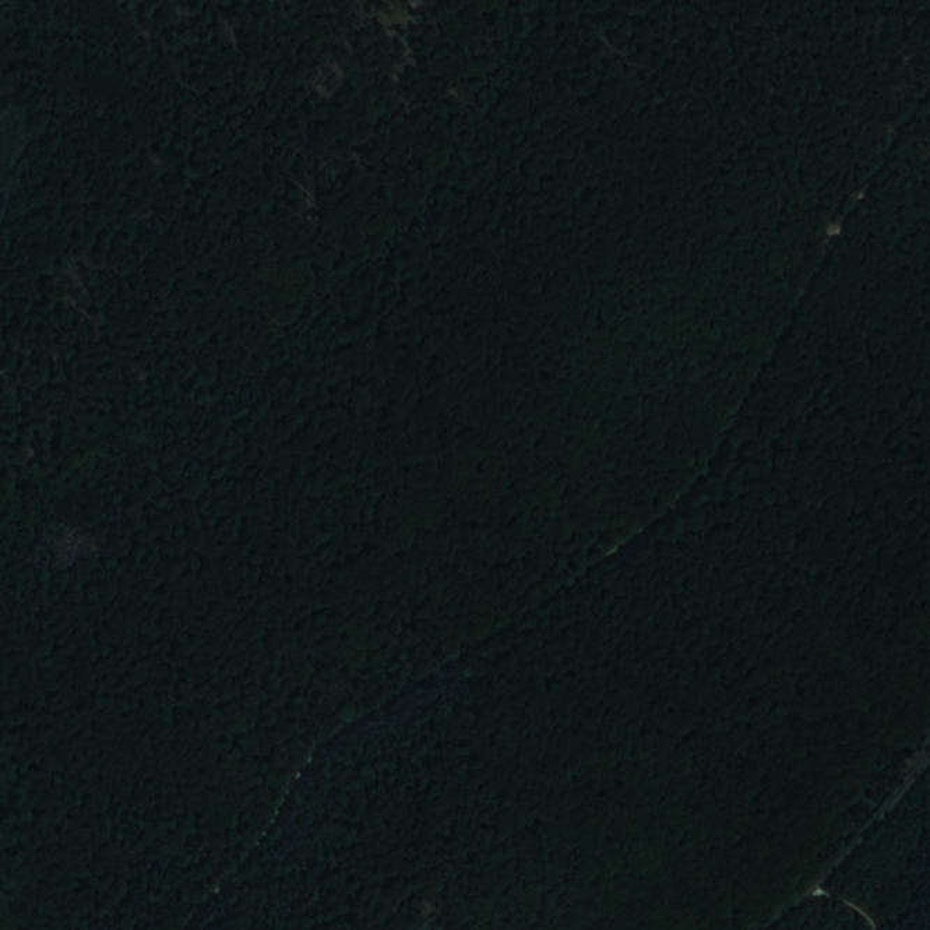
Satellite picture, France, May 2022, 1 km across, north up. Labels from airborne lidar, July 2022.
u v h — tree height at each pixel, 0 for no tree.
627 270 25
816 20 31
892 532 28
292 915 21
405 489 32
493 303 29
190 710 26
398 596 16
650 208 28
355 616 31
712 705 27
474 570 28
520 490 27
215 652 28
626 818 22
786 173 26
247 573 28
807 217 25
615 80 34
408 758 27
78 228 26
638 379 22
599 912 26
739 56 29
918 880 24
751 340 22
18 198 29
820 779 31
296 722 21
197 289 29
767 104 24
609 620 28
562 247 29
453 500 30
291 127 26
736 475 30
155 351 19
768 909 30
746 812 29
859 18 28
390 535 31
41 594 27
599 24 26
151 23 25
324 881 28
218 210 30
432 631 25
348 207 29
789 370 27
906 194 25
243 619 24
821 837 35
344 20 20
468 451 30
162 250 32
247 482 27
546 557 24
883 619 31
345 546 28
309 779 22
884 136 24
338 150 29
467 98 18
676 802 24
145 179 23
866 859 19
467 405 30
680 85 27
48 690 25
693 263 24
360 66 24
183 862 22
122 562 25
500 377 28
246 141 30
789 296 24
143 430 25
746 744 21
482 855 23
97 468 21
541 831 23
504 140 24
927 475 30
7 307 27
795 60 29
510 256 27
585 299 23
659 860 25
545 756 27
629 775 27
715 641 27
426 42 24
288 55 28
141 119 28
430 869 21
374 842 28
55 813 30
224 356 29
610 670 20
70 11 19
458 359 30
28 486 28
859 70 28
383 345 30
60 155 23
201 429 24
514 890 22
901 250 21
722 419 23
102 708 27
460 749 27
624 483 27
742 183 23
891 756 24
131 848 23
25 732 27
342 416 29
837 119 25
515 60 23
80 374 31
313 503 24
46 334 29
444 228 22
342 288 22
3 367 30
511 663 30
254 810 29
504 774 23
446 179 26
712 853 29
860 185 23
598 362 23
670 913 27
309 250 27
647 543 27
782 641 27
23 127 24
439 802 27
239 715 31
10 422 26
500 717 29
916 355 25
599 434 22
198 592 30
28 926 26
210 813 26
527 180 32
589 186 26
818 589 27
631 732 27
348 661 26
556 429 24
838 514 26
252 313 30
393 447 34
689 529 25
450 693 22
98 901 24
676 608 26
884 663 30
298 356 25
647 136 31
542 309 24
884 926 14
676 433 25
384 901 24
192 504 27
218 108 31
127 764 29
